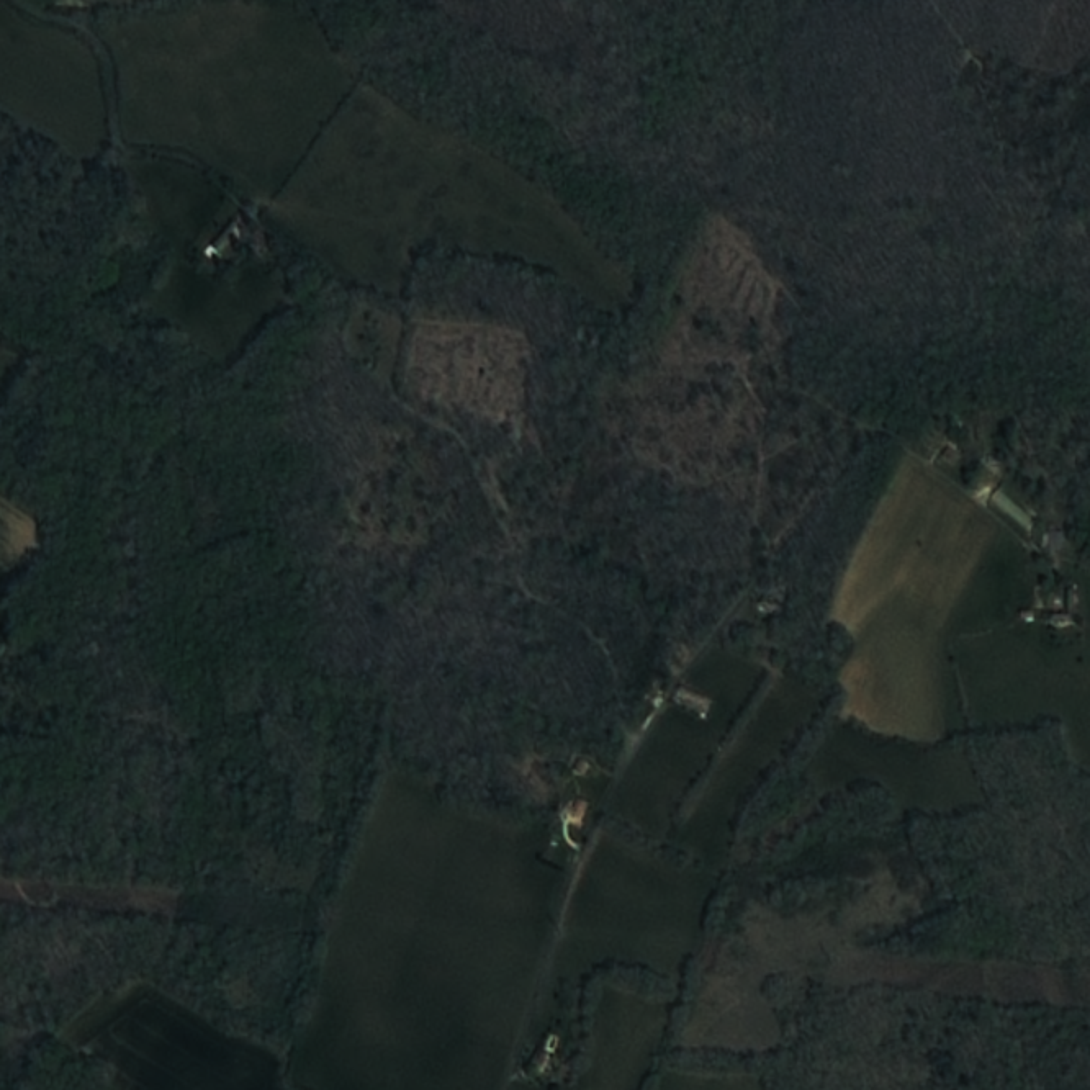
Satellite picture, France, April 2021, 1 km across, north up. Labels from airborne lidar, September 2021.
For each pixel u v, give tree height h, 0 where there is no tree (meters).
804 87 17
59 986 12
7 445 22
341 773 8
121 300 19
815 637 16
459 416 14
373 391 13
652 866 0
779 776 18
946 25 14
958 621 0
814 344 22
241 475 19
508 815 20
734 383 20
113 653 17
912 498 0
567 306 15
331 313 18
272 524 20
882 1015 14
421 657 17
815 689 8
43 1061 23
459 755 16
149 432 26
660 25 18
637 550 8
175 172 0
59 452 27
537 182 17
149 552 21
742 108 18
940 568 0
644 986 17
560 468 13
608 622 19
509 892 0
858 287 21
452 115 21
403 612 19
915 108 17
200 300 0
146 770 22
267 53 0
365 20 22
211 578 20
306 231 0
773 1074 18
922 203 16
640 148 19
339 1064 0
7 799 24
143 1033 0
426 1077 0
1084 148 12
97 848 20
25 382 22
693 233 19
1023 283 20
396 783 0
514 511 11
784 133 20
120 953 14
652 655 8
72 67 0
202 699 17
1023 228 18
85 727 22
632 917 0
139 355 20
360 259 0
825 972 0
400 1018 0
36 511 24
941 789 0
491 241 0
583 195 18
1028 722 0
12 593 25
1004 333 19
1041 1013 12
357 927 0
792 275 15
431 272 20
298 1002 11
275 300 0
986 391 22
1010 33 15
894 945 10
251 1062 0
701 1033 0
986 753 17
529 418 14
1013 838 14
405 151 0
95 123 0
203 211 0
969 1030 16
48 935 21
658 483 14
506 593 8
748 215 19
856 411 18
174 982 9
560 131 18
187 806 21
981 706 0
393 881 0
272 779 5
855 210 18
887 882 0
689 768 0
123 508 20
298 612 19
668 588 7
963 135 20
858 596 0
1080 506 22
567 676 17
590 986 14
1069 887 16
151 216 0
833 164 18
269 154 0
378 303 19
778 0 18
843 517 19
